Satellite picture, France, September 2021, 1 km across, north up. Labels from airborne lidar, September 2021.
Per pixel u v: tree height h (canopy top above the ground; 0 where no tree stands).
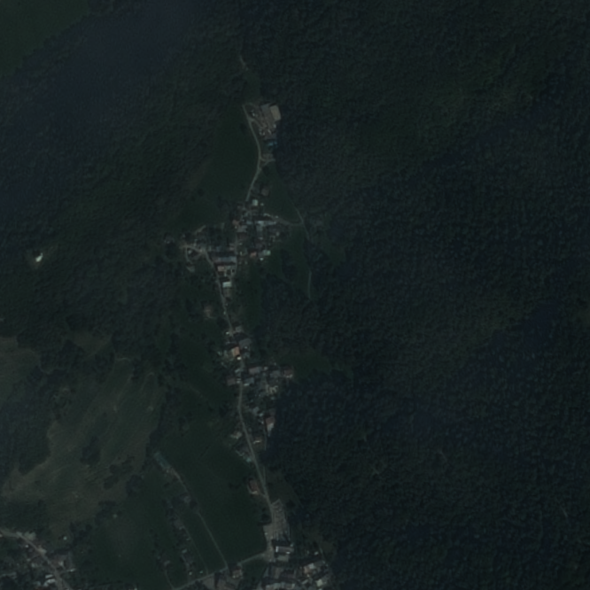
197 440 0
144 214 11
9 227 22
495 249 23
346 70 18
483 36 15
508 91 12
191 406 0
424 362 20
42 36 0
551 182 21
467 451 18
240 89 24
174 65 15
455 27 30
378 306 25
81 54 22
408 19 18
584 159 19
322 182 22
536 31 29
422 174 18
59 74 21
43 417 14
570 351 28
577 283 18
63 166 19
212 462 0
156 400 0
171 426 14
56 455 0
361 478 25
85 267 27
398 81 24
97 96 12
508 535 33
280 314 22
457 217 25
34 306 18
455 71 17
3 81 0
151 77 17
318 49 25
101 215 16
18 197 20
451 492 25
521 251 29
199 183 0
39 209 18
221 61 16
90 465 13
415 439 24
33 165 22
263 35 23
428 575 24
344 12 26
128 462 11
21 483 0
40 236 17
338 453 22
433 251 23
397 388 28
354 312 19
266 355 15
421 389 16
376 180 15
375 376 29
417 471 30
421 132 11
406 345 20
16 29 0
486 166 21
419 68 25
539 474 26
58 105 20
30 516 11
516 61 20
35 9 0
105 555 0
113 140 12
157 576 0
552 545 28
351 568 24
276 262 0
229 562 0
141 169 15
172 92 18
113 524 0
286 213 0
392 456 20
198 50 21
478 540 32
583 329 27
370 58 22
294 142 24
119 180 14
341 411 22
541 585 23
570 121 30
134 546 0
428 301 23
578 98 25
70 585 6
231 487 11
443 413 28
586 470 21
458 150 25
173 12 18
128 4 27
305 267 0
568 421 22
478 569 22
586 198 24
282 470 16
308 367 0
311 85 23
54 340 20
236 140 0
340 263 0
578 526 15
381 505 13
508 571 22
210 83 19
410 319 23
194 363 0
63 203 23
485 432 29
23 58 0
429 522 31
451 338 17
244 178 0
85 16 0
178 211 24
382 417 20
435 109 14
